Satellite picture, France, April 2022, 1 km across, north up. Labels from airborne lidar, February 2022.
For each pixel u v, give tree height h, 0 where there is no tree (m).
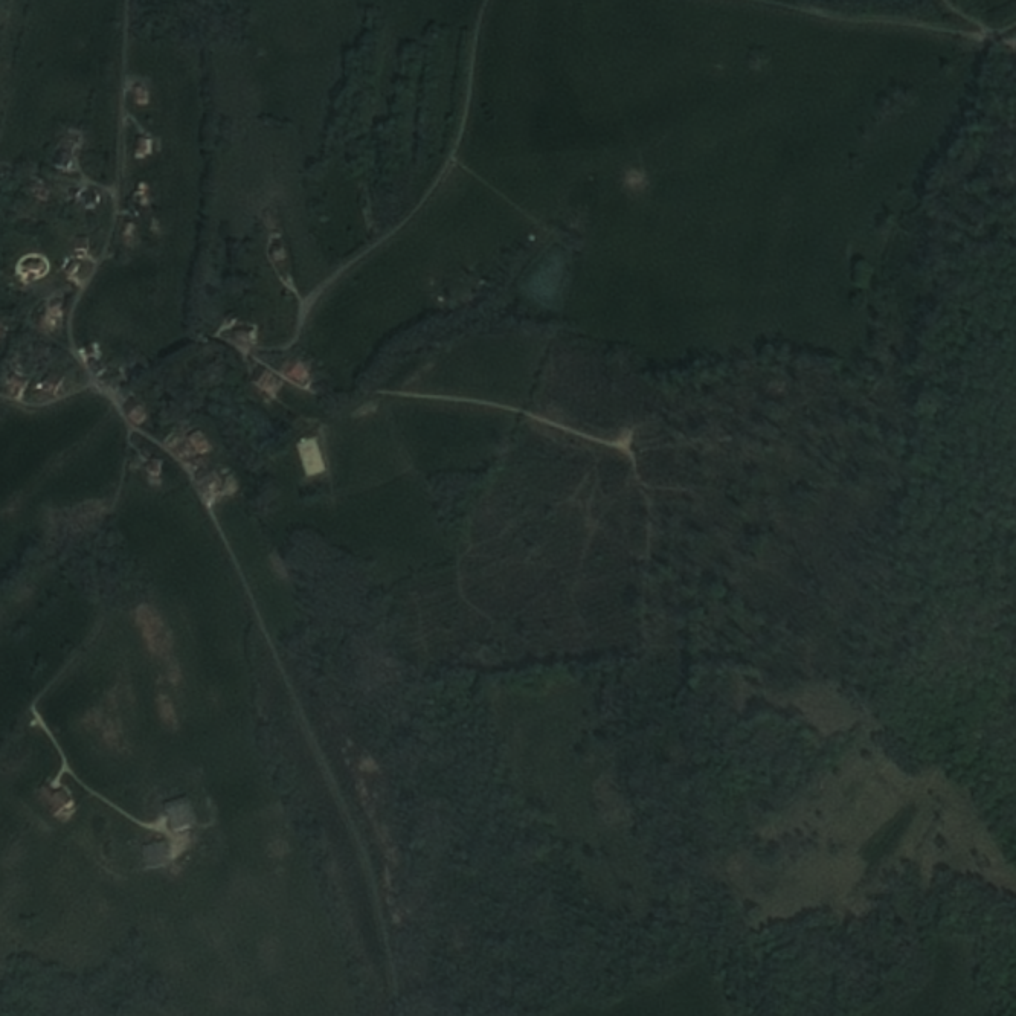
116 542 25
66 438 0
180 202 0
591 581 0
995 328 23
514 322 20
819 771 14
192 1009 0
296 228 0
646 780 25
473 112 0
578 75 0
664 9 0
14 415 0
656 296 0
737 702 28
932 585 22
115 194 0
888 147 0
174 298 0
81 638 0
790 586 0
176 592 0
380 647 22
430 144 9
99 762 0
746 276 0
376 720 7
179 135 0
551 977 25
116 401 0
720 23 0
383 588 0
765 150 0
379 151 8
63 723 0
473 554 0
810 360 18
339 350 0
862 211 0
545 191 0
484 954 10
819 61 0
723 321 0
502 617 10
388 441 0
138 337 0
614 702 19
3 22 0
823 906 0
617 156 0
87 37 0
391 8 0
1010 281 25
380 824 0
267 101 0
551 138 0
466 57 7
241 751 0
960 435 27
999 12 7
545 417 0
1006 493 24
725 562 0
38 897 0
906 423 0
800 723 18
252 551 0
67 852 0
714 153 0
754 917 21
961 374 27
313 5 0
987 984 20
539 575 0
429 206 0
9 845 0
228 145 15
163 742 0
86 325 0
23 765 0
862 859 0
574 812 0
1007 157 27
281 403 0
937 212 30
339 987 0
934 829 0
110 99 0
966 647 24
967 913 24
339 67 0
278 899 0
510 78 0
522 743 0
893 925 19
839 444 0
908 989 15
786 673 0
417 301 0
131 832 0
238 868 0
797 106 0
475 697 9
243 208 0
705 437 30
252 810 0
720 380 27
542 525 0
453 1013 29
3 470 0
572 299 0
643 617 31
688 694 25
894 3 17
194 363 0
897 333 0
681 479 0
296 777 17
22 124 0
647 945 22
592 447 0
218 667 0
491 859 33
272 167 0
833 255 0
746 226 0
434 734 23
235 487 0
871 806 0
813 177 0
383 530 0
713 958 18
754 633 0
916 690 19
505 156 0
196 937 0
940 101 0
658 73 0
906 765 20
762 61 14
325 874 23
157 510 0
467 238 0
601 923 8
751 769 24
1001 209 25
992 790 21
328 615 27
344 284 0
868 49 0
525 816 24
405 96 12
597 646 0
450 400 0
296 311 0
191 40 25
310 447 0
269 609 0
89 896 0
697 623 30
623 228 0
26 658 0
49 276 0
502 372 0
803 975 23
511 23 0
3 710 0
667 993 0
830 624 0
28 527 0
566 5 0
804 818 0
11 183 11
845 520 0
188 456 0
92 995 23
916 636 21
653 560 0
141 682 0
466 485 16
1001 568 28
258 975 0
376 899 0
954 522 25
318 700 16
